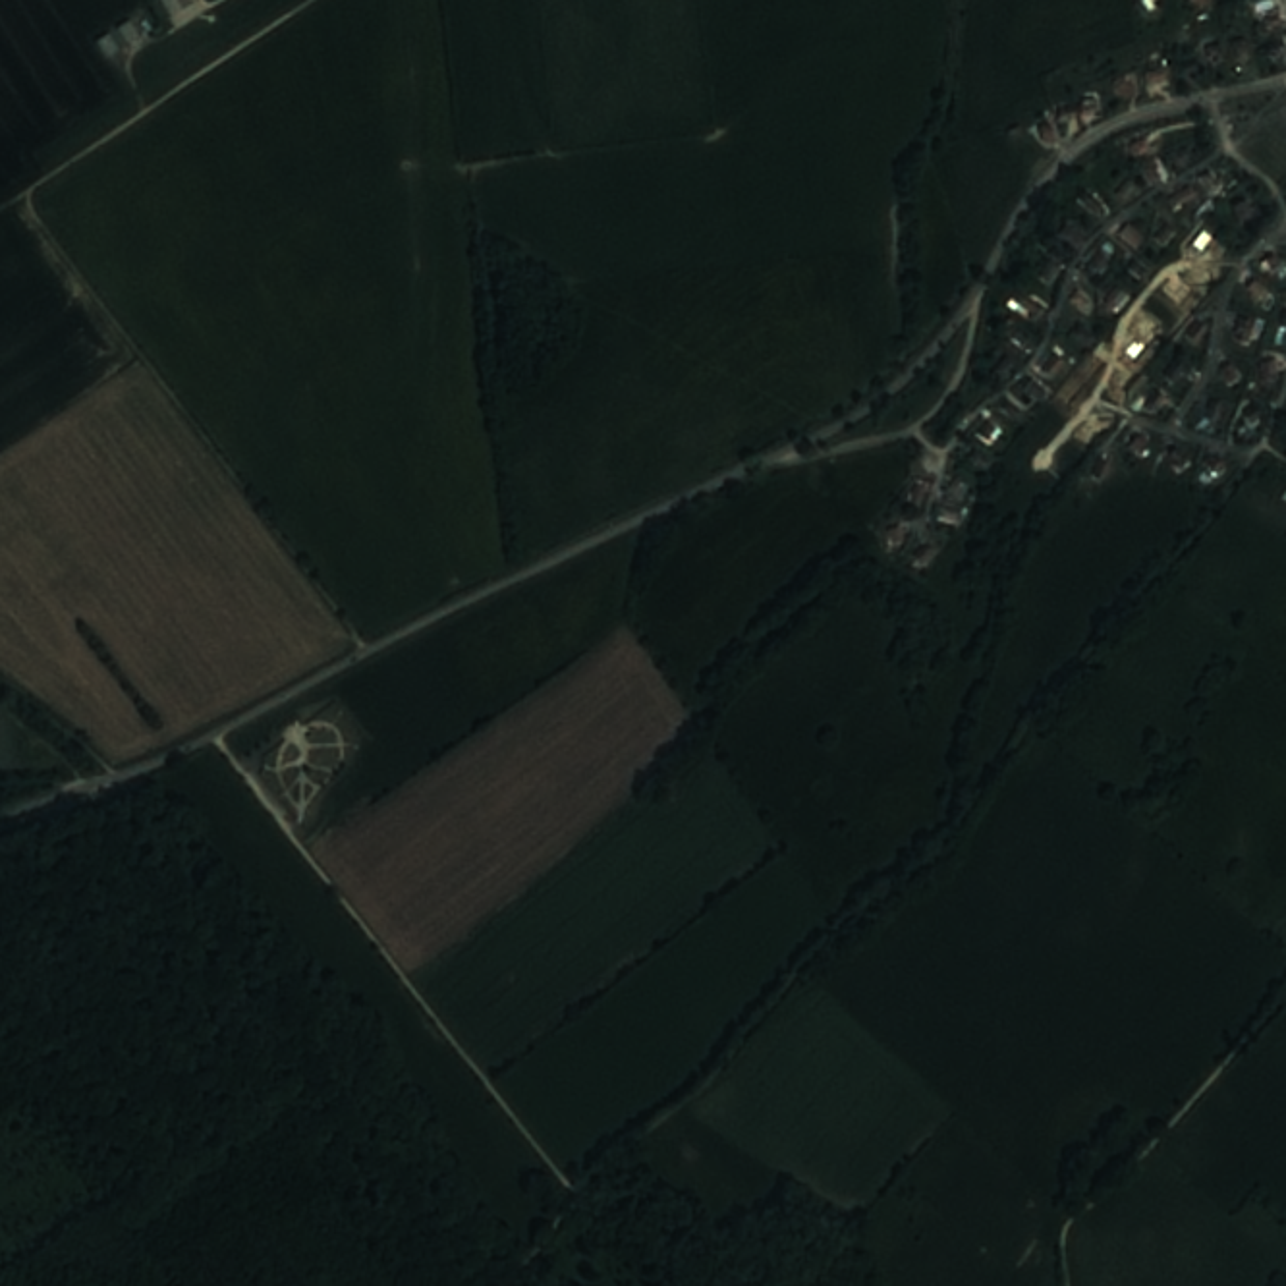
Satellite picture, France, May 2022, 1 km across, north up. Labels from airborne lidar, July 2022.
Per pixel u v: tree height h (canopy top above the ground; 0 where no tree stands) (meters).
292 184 0
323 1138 22
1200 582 0
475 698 0
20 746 0
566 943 0
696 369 0
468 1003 0
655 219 0
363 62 0
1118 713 0
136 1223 14
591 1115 0
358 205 0
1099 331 9
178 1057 22
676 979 0
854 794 0
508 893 0
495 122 0
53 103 0
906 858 16
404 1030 0
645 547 14
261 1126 23
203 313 0
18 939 26
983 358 9
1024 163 0
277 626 0
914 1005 0
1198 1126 0
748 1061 0
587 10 0
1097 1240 0
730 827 0
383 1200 24
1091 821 0
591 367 0
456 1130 0
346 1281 11
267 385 0
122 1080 27
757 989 0
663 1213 25
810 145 0
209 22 0
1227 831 0
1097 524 0
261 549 0
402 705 0
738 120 0
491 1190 0
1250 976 0
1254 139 0
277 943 27
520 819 0
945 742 0
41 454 0
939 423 6
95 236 0
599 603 0
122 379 0
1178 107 0
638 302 0
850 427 9
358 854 0
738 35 0
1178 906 0
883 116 0
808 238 0
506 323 25
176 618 0
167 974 31
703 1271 21
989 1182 0
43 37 0
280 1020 30
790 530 0
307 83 0
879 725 0
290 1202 15
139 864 28
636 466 0
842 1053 0
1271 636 0
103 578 0
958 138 0
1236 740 0
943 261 0
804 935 0
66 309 0
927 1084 0
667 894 0
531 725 0
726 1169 0
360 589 0
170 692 0
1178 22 0
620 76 0
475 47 0
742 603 0
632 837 0
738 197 0
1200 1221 0
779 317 0
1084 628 0
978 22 0
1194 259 0
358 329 0
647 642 10
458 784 0
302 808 0
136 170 0
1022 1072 0
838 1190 0
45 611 0
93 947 26
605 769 0
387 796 7
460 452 0
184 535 0
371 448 0
